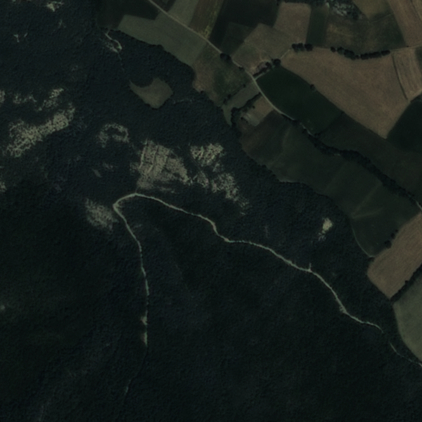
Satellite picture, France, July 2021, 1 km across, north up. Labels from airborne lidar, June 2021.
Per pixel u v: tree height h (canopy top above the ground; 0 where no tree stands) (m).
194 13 0
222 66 0
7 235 14
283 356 12
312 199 11
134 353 14
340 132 0
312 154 0
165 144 6
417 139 0
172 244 8
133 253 7
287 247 7
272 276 8
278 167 0
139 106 13
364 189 0
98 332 13
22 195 17
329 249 11
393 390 8
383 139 0
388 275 0
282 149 0
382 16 0
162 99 0
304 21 0
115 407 23
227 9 0
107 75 10
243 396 12
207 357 10
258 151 0
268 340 10
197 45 0
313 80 0
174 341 13
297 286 10
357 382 20
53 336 13
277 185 13
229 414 13
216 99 0
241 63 0
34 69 9
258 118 0
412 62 0
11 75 9
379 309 9
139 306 11
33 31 8
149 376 18
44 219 15
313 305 11
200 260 13
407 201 0
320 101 0
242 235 6
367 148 0
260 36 0
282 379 12
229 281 10
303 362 8
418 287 0
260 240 8
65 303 13
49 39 6
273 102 0
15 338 17
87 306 18
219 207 8
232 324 8
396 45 0
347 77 0
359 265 8
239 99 0
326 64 0
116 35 7
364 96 0
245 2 0
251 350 11
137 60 8
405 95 0
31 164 8
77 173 9
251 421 14
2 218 14
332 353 13
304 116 0
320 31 0
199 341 14
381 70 0
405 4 0
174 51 0
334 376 15
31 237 12
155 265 8
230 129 11
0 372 10
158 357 15
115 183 9
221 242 10
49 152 13
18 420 19
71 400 17
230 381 10
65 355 18
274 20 0
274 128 0
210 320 12
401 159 0
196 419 11
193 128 8
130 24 0
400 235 0
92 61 9
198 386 12
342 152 13
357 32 0
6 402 13
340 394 17
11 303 8
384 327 10
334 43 0
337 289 13
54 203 11
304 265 7
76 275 18
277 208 11
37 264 16
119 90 11
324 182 0
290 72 0
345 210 0
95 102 8
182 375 12
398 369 15
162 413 21
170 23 0
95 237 7
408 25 0
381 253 0
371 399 11
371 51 0
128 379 10
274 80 0
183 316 7
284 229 7
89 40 11
